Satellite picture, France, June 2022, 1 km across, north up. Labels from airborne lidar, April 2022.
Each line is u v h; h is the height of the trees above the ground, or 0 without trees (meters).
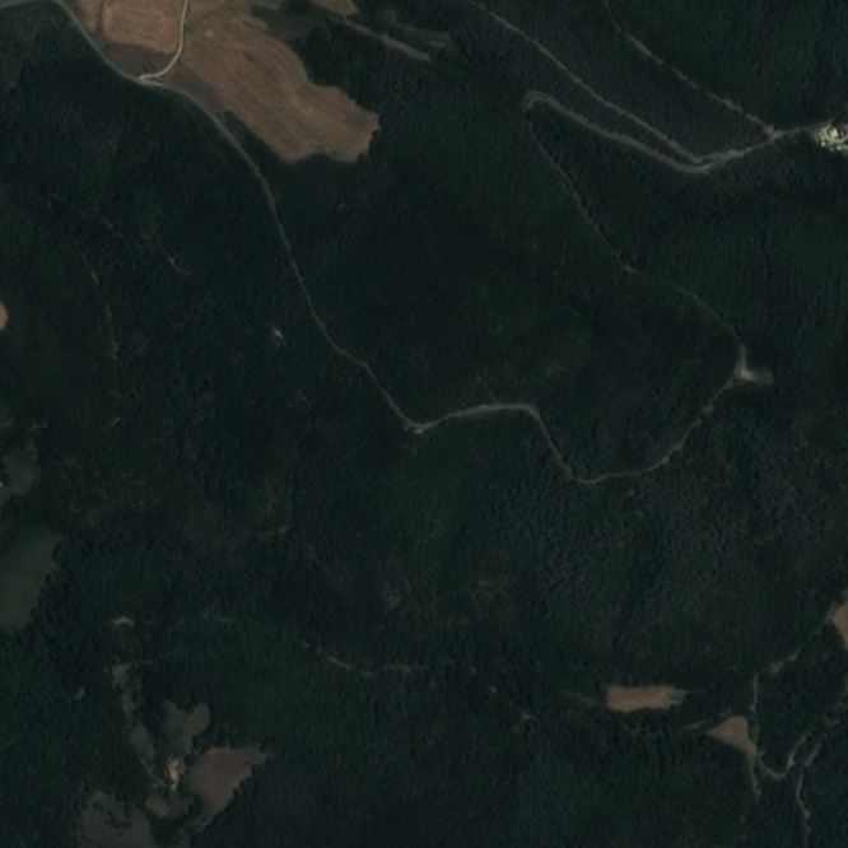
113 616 14
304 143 0
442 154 16
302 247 11
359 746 17
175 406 15
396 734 10
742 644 11
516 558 8
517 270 10
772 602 12
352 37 10
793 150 9
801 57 9
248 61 0
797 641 15
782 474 20
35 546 0
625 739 19
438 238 10
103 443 11
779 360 10
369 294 12
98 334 15
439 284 11
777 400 13
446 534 8
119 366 12
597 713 14
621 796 16
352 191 7
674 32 14
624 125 9
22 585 0
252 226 13
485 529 8
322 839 7
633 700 0
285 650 12
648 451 18
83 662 20
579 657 14
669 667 11
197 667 12
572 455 14
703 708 20
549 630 9
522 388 6
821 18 15
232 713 15
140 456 11
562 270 18
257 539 15
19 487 0
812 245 12
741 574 17
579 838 13
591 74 7
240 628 10
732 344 12
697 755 17
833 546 7
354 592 8
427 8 10
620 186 19
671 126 10
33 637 24
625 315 16
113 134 11
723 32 10
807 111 16
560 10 15
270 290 15
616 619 11
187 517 7
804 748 7
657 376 8
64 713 15
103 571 14
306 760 14
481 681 17
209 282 11
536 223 16
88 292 9
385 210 10
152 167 12
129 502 9
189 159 13
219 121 0
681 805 15
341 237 9
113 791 14
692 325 13
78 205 13
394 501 12
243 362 9
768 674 12
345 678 13
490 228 15
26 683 14
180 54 0
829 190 15
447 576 10
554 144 15
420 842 12
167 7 0
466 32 13
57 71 12
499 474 12
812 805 8
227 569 9
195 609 13
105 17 0
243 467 15
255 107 0
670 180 14
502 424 9
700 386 14
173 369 14
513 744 22
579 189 16
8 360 9
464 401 8
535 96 0
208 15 0
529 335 9
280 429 13
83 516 10
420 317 12
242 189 15
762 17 11
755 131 8
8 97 10
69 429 12
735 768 14
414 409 11
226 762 0
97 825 0
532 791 14
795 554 8
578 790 14
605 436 13
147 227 7
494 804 19
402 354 11
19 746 10
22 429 10
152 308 15
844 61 10
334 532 11
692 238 17
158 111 8
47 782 14
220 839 14
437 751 10
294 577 16
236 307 13
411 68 15
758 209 18
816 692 16
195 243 12
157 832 8
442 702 14
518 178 14
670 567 17
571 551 14
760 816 11
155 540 16
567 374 9
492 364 7
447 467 12
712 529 15
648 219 18
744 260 15
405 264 10
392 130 13
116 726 15
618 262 19
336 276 13
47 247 13
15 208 11
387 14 0
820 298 19
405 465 7
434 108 16
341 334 12
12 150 15
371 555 12
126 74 0
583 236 14
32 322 6
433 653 15
